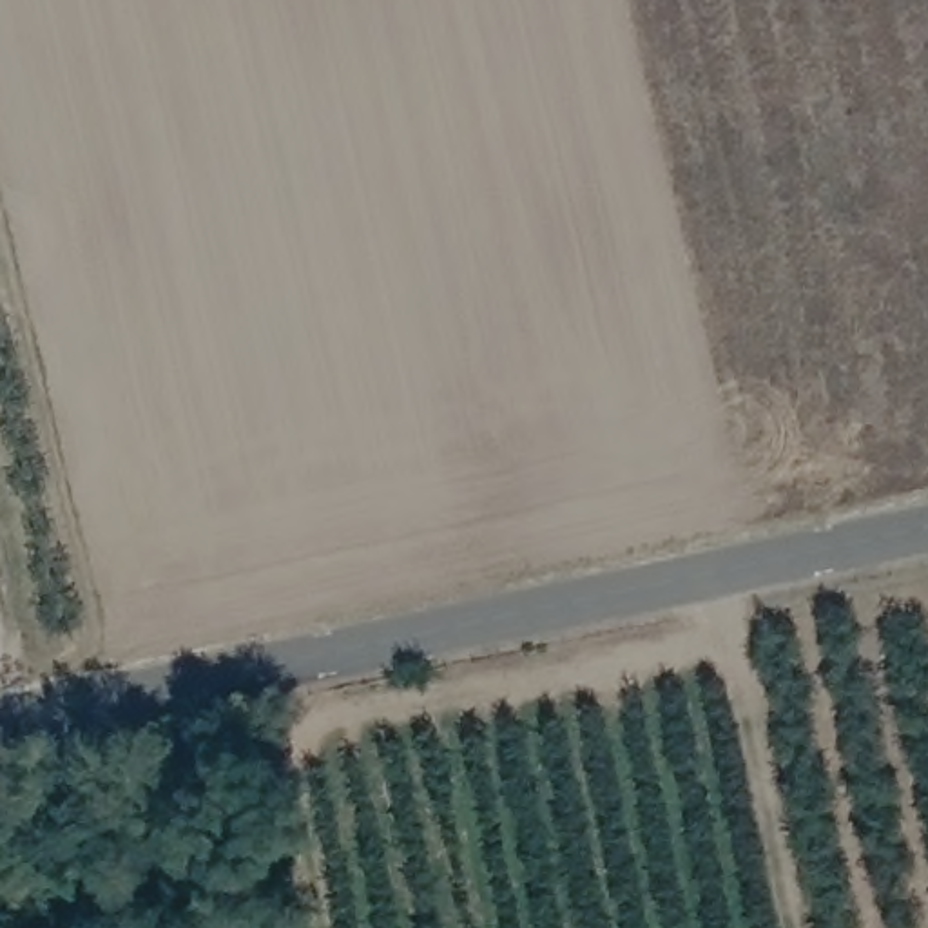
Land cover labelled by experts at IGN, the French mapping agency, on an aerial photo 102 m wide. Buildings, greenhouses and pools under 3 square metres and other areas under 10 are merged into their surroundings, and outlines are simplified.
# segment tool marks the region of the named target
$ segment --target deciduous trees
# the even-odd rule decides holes
[[[83,605],[76,587],[65,580],[69,555],[51,537],[51,515],[44,508],[47,468],[36,446],[33,421],[25,417],[29,388],[18,370],[15,341],[0,312],[0,435],[11,450],[7,482],[22,493],[25,508],[36,616],[47,631],[69,634],[80,624]]]
[[[424,689],[431,682],[428,660],[421,656],[417,663],[402,667],[392,663],[384,674],[388,685]]]
[[[928,624],[917,602],[888,605],[877,616],[888,703],[899,718],[899,743],[914,772],[914,805],[928,848]]]
[[[624,685],[620,707],[602,707],[595,692],[569,692],[558,700],[533,700],[522,707],[497,703],[493,714],[482,718],[464,711],[435,714],[431,721],[413,718],[406,725],[377,721],[359,740],[341,747],[337,765],[323,765],[319,754],[308,754],[305,765],[294,769],[290,783],[265,761],[221,754],[218,765],[199,769],[207,790],[185,794],[160,769],[170,758],[170,736],[181,732],[189,721],[156,718],[138,732],[73,740],[29,736],[15,747],[0,747],[0,801],[7,794],[22,794],[22,779],[40,779],[47,787],[47,798],[40,801],[33,819],[15,827],[11,845],[54,845],[65,870],[83,866],[80,885],[94,895],[98,917],[76,921],[69,928],[308,928],[308,906],[294,888],[294,859],[305,841],[305,823],[297,812],[301,790],[312,790],[315,805],[315,830],[323,845],[334,928],[779,928],[725,682],[711,663],[696,663],[692,671],[703,682],[700,703],[711,729],[711,747],[700,754],[692,743],[685,696],[678,692],[678,674],[660,671],[653,682]],[[134,888],[156,866],[170,877],[196,881],[185,914],[134,906]]]
[[[232,707],[250,721],[250,736],[265,736],[290,750],[290,729],[301,714],[290,707],[290,692],[265,689],[261,696],[228,696]]]
[[[906,895],[910,848],[899,834],[899,787],[881,750],[874,689],[866,682],[866,660],[859,656],[859,620],[848,598],[837,591],[816,591],[812,598],[819,671],[834,700],[834,729],[841,750],[837,772],[827,772],[823,754],[812,740],[812,689],[801,667],[794,620],[783,609],[769,605],[754,613],[747,631],[747,660],[758,671],[769,696],[772,772],[783,798],[783,827],[798,863],[798,885],[808,906],[808,928],[859,928],[830,801],[830,790],[841,783],[852,798],[852,827],[863,845],[863,866],[874,888],[881,928],[921,928],[917,903]]]

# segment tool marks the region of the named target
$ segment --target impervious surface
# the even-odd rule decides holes
[[[790,533],[674,562],[529,587],[515,595],[493,595],[399,620],[344,627],[323,638],[247,645],[239,653],[210,660],[189,653],[167,667],[112,667],[98,682],[87,682],[80,674],[54,682],[40,692],[0,696],[0,747],[15,747],[29,736],[73,740],[138,732],[156,718],[189,721],[199,718],[214,700],[228,696],[261,696],[265,689],[290,692],[305,685],[312,685],[326,671],[384,674],[392,663],[402,667],[417,663],[421,656],[428,660],[431,653],[450,653],[479,642],[533,642],[533,634],[540,631],[566,631],[609,616],[667,609],[740,591],[798,580],[812,569],[852,569],[928,551],[928,508],[856,518],[827,533]]]

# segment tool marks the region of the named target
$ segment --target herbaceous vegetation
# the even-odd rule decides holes
[[[874,888],[863,866],[863,845],[852,827],[852,798],[841,783],[830,790],[830,801],[859,928],[881,928]]]
[[[170,758],[160,769],[185,794],[207,790],[199,769],[218,765],[221,754],[265,761],[290,783],[294,769],[290,750],[265,736],[250,736],[250,721],[232,707],[228,696],[214,700],[199,718],[189,721],[181,732],[170,736]]]
[[[196,881],[170,877],[156,866],[134,888],[134,906],[185,914]]]
[[[312,685],[305,685],[308,692],[341,692],[355,685],[384,692],[388,685],[384,674],[326,671]]]
[[[431,682],[453,682],[479,671],[511,671],[529,660],[529,653],[537,653],[544,663],[569,663],[580,653],[613,649],[624,642],[656,642],[674,627],[674,613],[667,609],[609,616],[566,631],[540,631],[533,634],[533,642],[479,642],[450,653],[431,653],[428,660]]]
[[[7,794],[0,801],[0,928],[69,928],[76,921],[98,917],[94,895],[80,885],[83,866],[65,870],[54,845],[11,845],[15,827],[33,819],[40,801],[47,798],[47,787],[40,779],[22,779],[22,794]]]
[[[294,859],[294,888],[308,906],[308,928],[334,928],[323,845],[315,830],[315,805],[312,790],[301,790],[297,812],[305,823],[305,841]]]
[[[711,729],[700,703],[703,682],[692,671],[678,674],[678,692],[685,696],[692,743],[700,754],[711,747]]]
[[[914,805],[914,772],[899,743],[899,718],[888,703],[877,616],[888,605],[917,602],[928,624],[928,551],[852,569],[812,569],[798,580],[740,591],[754,605],[754,613],[769,605],[783,609],[794,620],[801,667],[812,689],[812,740],[823,754],[827,772],[837,772],[841,750],[834,729],[834,700],[819,671],[812,598],[816,591],[837,591],[848,598],[859,620],[859,656],[866,660],[866,682],[874,689],[881,750],[899,787],[899,834],[910,848],[906,895],[917,903],[921,928],[928,928],[928,848]]]

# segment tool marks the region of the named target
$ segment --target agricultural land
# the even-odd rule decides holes
[[[98,682],[112,667],[167,667],[189,653],[210,660],[239,653],[247,645],[323,638],[344,627],[399,620],[493,595],[515,595],[529,587],[674,562],[790,533],[827,533],[856,518],[928,508],[928,0],[0,0],[0,312],[15,341],[18,370],[29,388],[25,417],[33,421],[36,446],[47,468],[44,508],[51,515],[51,537],[69,555],[65,580],[76,587],[83,605],[80,624],[69,634],[47,631],[36,616],[25,508],[22,493],[7,482],[11,450],[0,435],[0,613],[7,627],[18,627],[18,663],[40,667],[44,674],[54,671],[54,682],[80,674],[87,682]]]

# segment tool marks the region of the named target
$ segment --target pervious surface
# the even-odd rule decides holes
[[[0,613],[0,696],[40,692],[54,682],[54,671],[44,674],[40,667],[18,663],[18,627],[7,627]]]
[[[808,906],[798,885],[798,863],[783,827],[783,798],[772,772],[769,696],[758,671],[747,660],[747,631],[754,613],[754,605],[740,591],[667,609],[674,613],[674,627],[656,642],[624,642],[613,649],[580,653],[569,663],[544,663],[537,653],[529,653],[529,660],[511,671],[479,671],[453,682],[431,682],[424,689],[388,685],[384,692],[355,685],[341,692],[308,692],[305,685],[290,692],[290,707],[301,714],[290,729],[290,750],[294,769],[305,765],[308,754],[319,754],[323,765],[337,765],[341,747],[359,740],[377,721],[406,725],[413,718],[431,721],[435,714],[464,711],[482,718],[493,714],[497,703],[522,707],[533,700],[558,700],[569,692],[595,692],[602,707],[620,707],[624,685],[653,682],[660,671],[678,674],[692,671],[696,663],[711,663],[725,682],[779,928],[808,928]]]

